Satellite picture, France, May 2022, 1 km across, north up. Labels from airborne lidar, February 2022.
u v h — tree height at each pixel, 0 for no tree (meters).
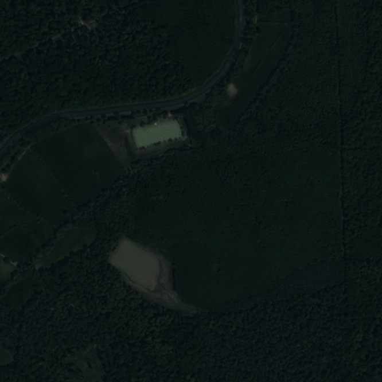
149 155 0
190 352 25
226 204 15
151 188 15
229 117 0
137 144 0
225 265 12
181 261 11
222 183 15
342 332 30
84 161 0
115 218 27
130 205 23
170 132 0
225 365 31
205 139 32
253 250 9
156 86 18
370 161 20
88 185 0
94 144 0
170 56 14
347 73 14
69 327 25
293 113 14
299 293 18
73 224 17
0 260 0
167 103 0
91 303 21
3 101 28
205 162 14
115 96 24
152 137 0
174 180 16
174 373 17
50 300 28
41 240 0
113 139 0
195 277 11
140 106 0
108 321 18
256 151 16
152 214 14
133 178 24
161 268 0
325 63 15
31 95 25
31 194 0
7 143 0
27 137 20
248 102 0
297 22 14
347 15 14
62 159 0
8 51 24
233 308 18
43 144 0
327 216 11
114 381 31
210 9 19
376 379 28
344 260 16
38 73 30
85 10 26
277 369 29
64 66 28
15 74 26
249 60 0
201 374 25
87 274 22
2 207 0
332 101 13
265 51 0
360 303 21
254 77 0
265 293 15
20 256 0
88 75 26
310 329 25
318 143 12
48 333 25
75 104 21
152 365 25
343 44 14
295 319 28
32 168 0
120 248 0
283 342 29
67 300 27
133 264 0
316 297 28
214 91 19
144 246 0
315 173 13
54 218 0
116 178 0
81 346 27
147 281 0
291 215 16
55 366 31
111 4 26
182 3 18
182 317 7
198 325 20
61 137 0
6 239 0
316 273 18
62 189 10
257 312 30
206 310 14
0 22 29
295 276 19
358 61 16
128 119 18
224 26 19
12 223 0
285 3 20
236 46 0
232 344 23
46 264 0
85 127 0
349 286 21
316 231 11
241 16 0
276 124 14
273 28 0
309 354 27
